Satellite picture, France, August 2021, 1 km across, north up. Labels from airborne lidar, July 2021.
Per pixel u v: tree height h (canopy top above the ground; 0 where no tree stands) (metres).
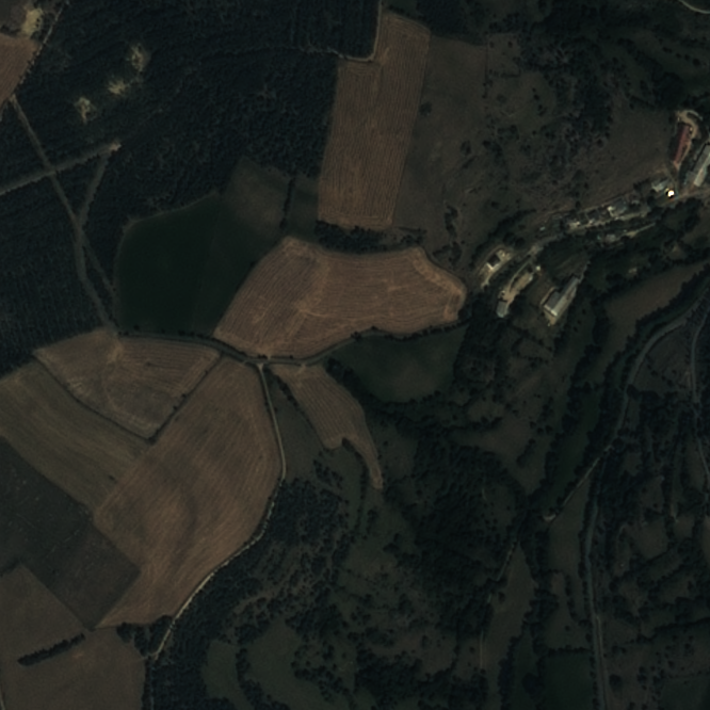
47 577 0
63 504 0
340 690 7
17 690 0
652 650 0
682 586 0
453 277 0
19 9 0
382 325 0
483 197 0
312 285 0
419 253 0
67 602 0
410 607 6
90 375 0
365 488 10
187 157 9
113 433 0
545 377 0
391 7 8
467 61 0
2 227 12
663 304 0
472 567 12
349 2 15
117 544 0
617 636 0
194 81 15
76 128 8
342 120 0
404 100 0
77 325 10
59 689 0
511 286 0
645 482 11
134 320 0
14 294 11
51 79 8
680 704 0
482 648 0
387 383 0
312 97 12
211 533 0
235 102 11
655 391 0
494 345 9
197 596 8
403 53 0
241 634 10
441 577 10
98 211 11
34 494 0
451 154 0
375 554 0
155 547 0
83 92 8
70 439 0
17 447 0
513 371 0
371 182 0
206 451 0
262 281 0
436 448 13
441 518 7
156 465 0
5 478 0
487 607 8
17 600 0
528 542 19
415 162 0
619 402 13
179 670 12
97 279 9
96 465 0
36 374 0
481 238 0
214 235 0
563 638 0
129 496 0
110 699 0
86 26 9
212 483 0
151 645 8
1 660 0
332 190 0
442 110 0
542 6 15
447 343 0
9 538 0
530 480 0
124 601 0
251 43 13
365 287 0
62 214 7
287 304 0
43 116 11
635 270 0
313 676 7
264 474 0
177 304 0
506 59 0
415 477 9
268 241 0
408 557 11
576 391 17
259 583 7
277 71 12
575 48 7
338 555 9
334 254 0
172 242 0
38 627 0
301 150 10
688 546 8
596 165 0
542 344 12
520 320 0
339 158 0
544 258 10
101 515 0
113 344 0
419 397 0
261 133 8
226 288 0
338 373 20
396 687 22
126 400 0
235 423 0
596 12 14
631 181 0
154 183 12
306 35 11
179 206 7
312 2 13
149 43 10
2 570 0
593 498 12
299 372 0
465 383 10
